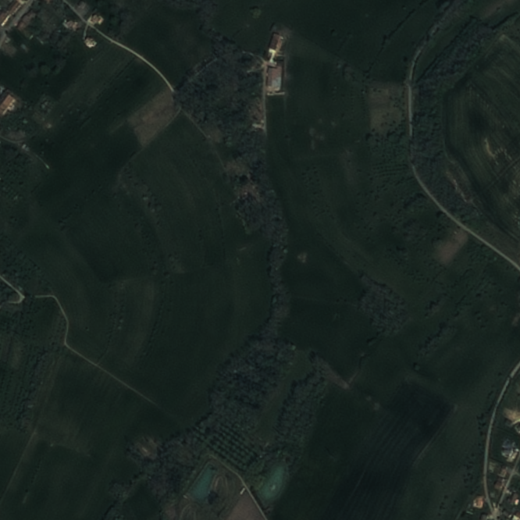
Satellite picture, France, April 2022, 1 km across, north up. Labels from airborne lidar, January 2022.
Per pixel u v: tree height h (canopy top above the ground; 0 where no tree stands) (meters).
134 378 0
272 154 0
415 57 0
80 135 0
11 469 0
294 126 0
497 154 0
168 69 0
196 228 0
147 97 0
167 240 0
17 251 7
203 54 0
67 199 0
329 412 0
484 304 0
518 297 0
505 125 0
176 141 0
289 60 0
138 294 0
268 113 0
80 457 0
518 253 0
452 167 17
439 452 0
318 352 0
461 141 0
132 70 0
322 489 0
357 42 0
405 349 0
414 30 0
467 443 0
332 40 0
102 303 0
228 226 0
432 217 0
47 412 0
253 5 0
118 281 0
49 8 0
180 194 0
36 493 0
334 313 0
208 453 17
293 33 0
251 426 27
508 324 0
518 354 0
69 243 0
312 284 0
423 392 0
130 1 0
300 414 21
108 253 0
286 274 0
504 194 0
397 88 0
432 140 14
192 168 0
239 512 0
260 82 16
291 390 0
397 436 0
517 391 0
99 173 0
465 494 0
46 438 0
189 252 0
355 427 0
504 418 0
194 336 0
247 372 19
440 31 11
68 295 0
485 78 0
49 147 0
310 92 0
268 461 15
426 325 0
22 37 0
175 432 0
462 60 19
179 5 22
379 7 0
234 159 0
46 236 0
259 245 0
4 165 0
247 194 0
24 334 6
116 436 0
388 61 0
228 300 0
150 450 0
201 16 15
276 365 19
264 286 0
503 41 0
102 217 0
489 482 0
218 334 0
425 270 0
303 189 0
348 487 0
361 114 0
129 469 0
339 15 0
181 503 0
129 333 0
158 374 0
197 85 27
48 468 0
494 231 0
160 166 0
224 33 0
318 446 0
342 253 0
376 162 0
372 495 0
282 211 19
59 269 0
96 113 0
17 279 7
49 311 0
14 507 0
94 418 0
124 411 0
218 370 0
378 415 0
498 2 0
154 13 0
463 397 0
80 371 0
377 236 0
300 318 0
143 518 0
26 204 0
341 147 0
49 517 0
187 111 27
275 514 0
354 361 0
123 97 0
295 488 0
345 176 0
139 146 0
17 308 7
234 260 0
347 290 0
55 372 0
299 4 0
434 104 14
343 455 0
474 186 0
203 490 0
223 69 26
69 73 0
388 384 0
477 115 0
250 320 0
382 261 0
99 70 0
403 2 0
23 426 18
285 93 0
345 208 0
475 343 0
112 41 0
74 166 0
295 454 8
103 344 0
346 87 0
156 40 0
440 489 0
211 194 0
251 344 0
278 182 0
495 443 0
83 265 0
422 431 0
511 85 0
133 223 0
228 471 0
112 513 15
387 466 0
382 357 0
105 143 0
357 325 0
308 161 0
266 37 0
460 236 0
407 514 0
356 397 0
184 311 0
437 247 12
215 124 21
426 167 17
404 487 0
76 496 0
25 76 0
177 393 0
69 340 0
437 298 0
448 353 0
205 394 0
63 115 0
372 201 0
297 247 0
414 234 19
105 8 0
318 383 22
